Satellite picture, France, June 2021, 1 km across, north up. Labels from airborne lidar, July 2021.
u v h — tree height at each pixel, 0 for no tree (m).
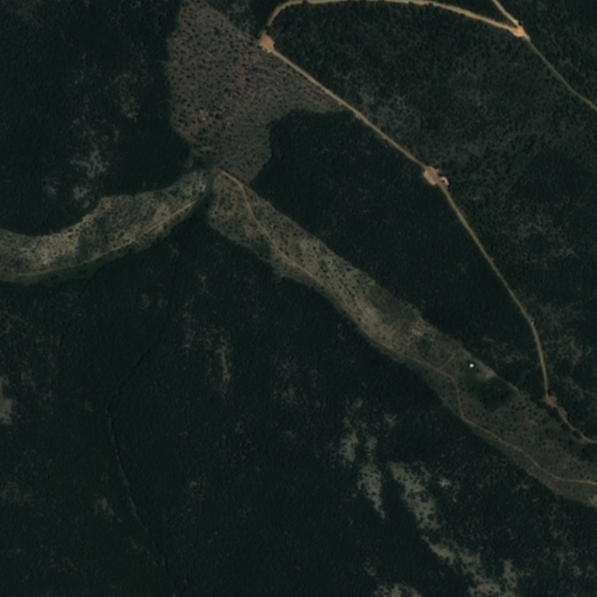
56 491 9
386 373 9
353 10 8
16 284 6
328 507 7
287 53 7
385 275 6
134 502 10
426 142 8
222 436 8
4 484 7
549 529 5
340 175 9
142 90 6
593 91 9
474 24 9
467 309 8
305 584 9
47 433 7
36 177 7
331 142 7
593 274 6
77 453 9
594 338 5
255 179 9
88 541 6
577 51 9
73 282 10
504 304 9
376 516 6
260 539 9
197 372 6
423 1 0
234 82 13
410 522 6
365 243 8
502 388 0
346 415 5
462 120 6
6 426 6
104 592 6
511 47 13
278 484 7
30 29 7
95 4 10
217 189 0
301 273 0
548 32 7
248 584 9
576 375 9
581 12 9
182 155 9
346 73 7
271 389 6
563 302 6
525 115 7
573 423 7
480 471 7
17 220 6
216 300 7
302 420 6
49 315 7
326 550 6
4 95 7
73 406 8
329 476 6
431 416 6
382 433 6
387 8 7
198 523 6
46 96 10
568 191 6
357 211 6
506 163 9
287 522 9
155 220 0
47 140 9
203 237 7
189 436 7
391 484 7
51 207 7
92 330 7
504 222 7
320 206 9
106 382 10
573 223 7
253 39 11
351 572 7
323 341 11
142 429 6
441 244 8
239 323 9
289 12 11
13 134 9
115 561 6
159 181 6
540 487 6
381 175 7
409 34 8
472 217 7
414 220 6
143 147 7
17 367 6
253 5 7
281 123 8
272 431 7
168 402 7
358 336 10
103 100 6
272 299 6
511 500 6
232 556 8
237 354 7
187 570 8
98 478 8
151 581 8
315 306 7
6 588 7
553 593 6
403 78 9
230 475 8
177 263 13
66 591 6
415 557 6
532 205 6
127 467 11
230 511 7
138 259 10
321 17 6
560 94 9
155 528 10
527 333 6
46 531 6
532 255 9
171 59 8
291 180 11
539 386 9
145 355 14
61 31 7
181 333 6
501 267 6
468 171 9
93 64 6
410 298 5
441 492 5
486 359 6
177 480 8
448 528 6
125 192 7
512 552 6
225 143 10
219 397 6
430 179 0
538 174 6
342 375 10
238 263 6
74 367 7
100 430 9
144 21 13
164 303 6
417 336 0
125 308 6
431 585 7
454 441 5
